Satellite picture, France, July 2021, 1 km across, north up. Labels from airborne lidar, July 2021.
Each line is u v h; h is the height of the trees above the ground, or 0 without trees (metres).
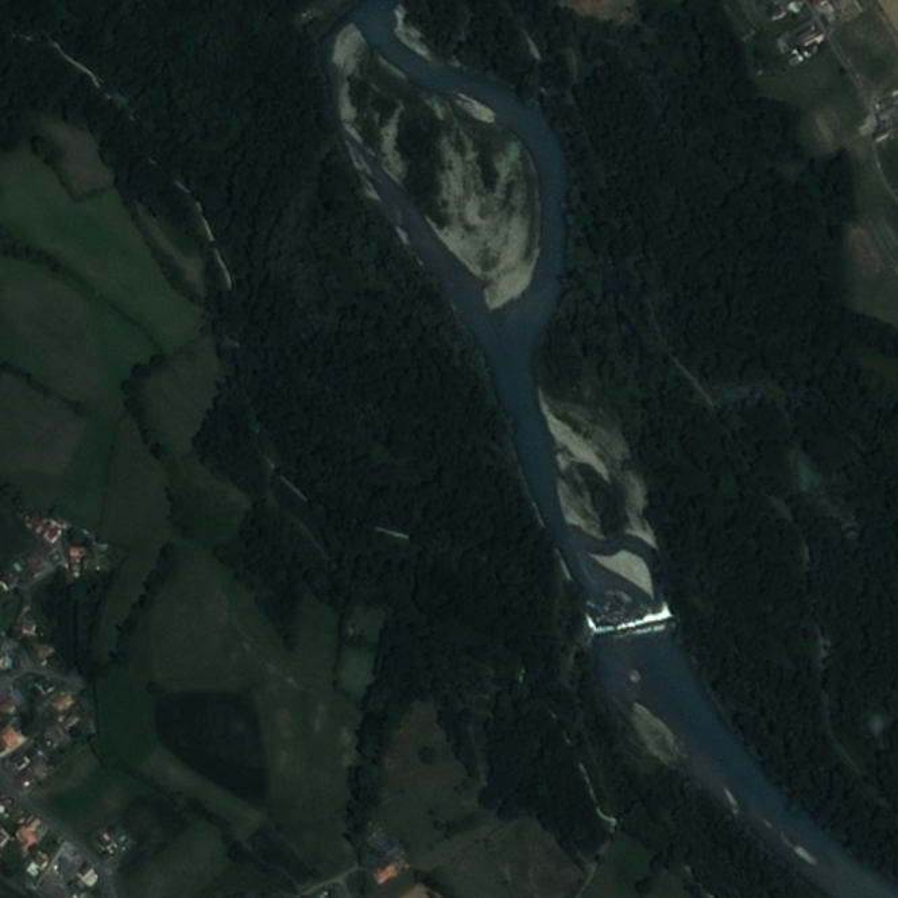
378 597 22
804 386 22
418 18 18
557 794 22
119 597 0
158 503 0
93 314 0
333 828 0
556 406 0
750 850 23
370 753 29
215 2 26
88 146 0
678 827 12
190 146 19
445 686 14
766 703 19
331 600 13
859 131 0
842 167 25
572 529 0
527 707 27
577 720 9
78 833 0
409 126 8
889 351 24
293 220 26
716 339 27
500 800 10
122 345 0
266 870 7
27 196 0
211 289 8
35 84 14
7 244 25
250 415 22
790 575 25
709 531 29
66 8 19
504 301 0
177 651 0
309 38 18
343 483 24
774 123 27
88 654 12
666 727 0
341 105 0
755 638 16
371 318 20
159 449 14
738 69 21
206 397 0
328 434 9
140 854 0
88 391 0
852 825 30
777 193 17
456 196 0
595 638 0
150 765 0
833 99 0
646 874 0
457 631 0
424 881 9
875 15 0
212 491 0
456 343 20
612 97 29
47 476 0
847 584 19
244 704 0
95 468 0
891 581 19
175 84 27
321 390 11
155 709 0
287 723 0
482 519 18
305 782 0
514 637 25
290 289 25
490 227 0
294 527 13
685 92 16
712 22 25
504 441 20
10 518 0
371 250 18
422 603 22
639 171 17
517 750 15
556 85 13
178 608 0
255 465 8
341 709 0
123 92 16
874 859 32
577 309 14
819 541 12
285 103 29
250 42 27
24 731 13
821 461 12
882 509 0
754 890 14
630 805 9
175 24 24
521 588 25
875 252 0
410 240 0
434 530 17
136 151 20
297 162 27
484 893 0
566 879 0
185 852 0
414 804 0
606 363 13
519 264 0
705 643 17
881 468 23
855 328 20
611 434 0
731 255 25
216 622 0
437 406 25
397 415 28
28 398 0
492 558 13
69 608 8
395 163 0
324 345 32
